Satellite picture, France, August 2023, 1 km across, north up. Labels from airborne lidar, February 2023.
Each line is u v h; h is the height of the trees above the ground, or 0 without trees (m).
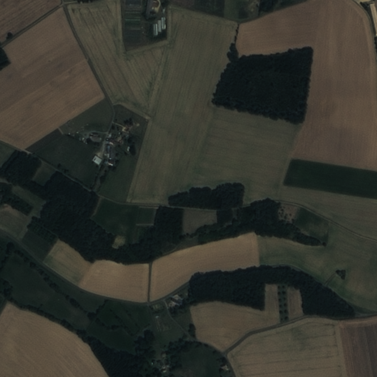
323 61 0
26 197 0
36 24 0
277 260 0
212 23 0
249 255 0
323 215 0
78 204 18
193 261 0
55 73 0
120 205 0
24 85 0
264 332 0
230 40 0
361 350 0
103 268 0
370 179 0
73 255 0
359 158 0
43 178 0
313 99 0
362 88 0
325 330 0
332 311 18
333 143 0
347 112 0
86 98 0
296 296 0
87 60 0
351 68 0
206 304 0
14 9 0
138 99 0
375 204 0
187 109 0
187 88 0
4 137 0
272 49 0
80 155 0
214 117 0
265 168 0
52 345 0
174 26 0
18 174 15
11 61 0
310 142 0
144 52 0
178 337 0
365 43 0
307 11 0
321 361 0
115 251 8
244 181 0
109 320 0
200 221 0
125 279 0
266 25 0
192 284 16
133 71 0
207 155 0
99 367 0
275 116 18
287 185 0
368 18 0
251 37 0
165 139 0
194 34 0
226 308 0
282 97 0
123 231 0
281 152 0
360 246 0
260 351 0
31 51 0
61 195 17
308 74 14
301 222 0
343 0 0
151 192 0
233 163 0
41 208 0
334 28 0
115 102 0
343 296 0
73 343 0
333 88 0
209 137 0
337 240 0
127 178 0
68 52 0
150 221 0
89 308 0
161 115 0
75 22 0
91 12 0
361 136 0
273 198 0
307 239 13
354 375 0
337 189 0
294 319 0
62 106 0
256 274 18
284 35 0
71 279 0
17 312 0
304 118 15
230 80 15
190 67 0
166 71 0
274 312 0
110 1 0
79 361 0
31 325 0
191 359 0
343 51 0
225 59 0
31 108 0
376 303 0
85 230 20
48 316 10
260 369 0
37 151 0
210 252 0
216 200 6
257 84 0
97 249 19
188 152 0
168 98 0
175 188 0
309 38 0
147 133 0
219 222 11
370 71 0
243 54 0
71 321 0
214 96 11
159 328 0
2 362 0
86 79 0
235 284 14
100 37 0
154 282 0
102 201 0
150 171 0
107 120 0
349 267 0
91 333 0
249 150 0
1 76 0
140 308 0
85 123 0
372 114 0
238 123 0
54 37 0
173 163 0
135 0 0
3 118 0
